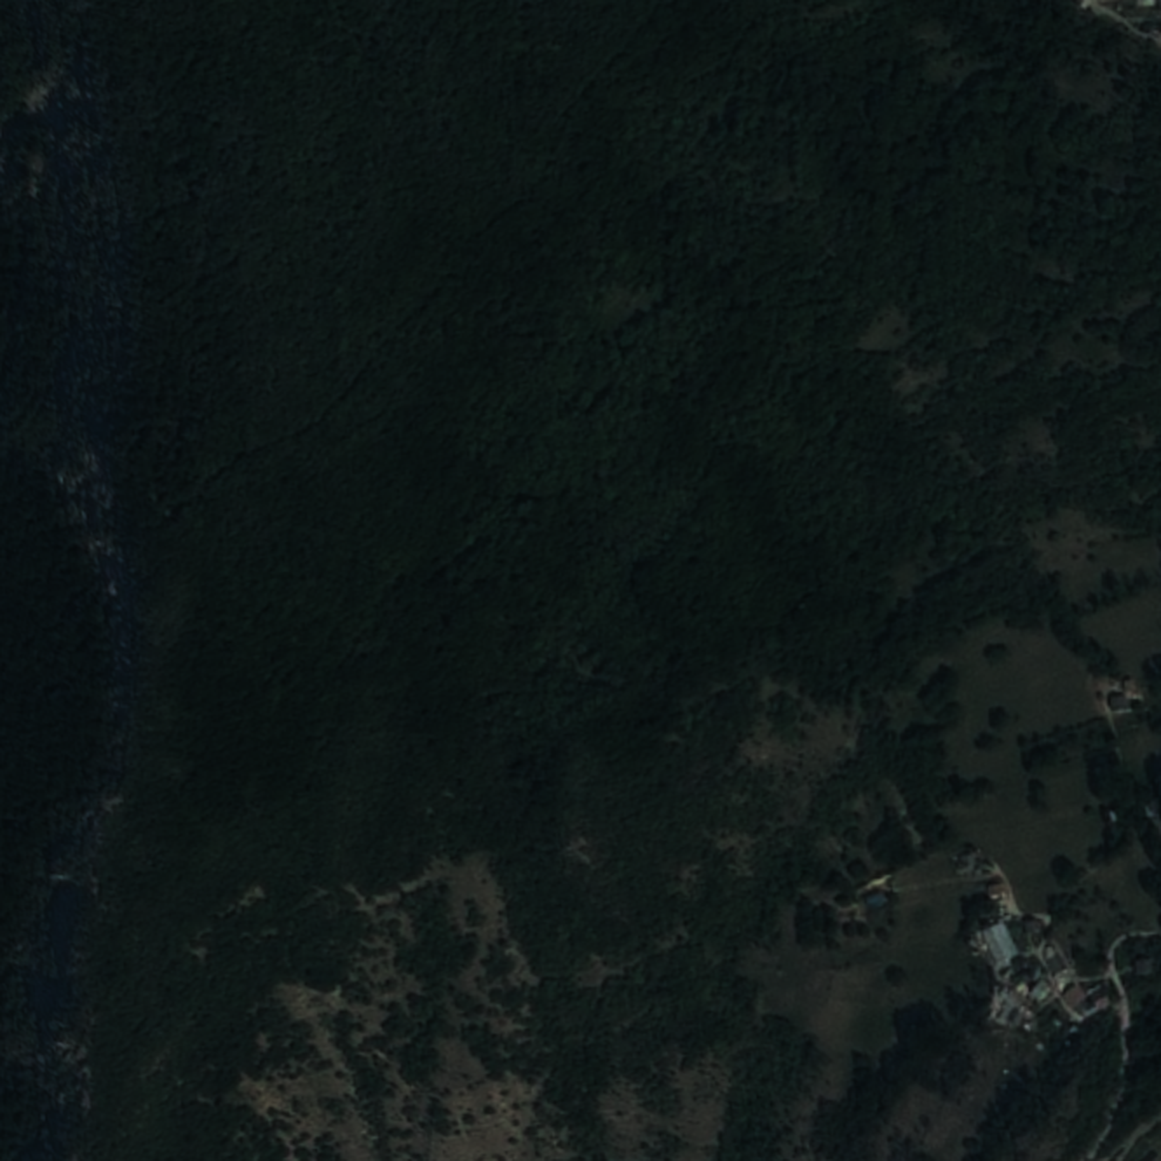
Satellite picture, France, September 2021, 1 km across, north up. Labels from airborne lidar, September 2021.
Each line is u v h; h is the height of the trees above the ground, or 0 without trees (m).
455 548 19
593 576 22
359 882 11
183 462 20
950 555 20
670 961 11
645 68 21
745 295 25
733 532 25
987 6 17
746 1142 8
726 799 10
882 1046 0
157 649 14
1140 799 24
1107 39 9
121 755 8
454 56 23
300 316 17
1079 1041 9
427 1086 10
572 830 6
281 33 20
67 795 29
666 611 30
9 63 19
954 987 0
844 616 21
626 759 23
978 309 15
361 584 26
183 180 23
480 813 9
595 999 9
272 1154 13
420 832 16
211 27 18
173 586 16
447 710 26
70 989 19
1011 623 17
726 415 17
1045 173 15
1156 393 11
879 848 17
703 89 15
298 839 17
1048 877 0
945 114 19
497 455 23
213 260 23
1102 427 15
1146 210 16
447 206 23
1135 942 6
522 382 20
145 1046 12
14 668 31
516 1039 7
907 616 15
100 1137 12
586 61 17
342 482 18
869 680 19
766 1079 8
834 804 10
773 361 15
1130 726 0
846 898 12
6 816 28
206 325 25
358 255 15
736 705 16
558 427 26
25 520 34
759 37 26
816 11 12
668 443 28
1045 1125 7
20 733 29
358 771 14
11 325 16
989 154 23
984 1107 0
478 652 24
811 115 23
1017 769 0
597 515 19
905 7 18
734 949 10
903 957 0
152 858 17
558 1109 7
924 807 17
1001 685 0
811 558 31
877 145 19
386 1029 11
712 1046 14
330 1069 9
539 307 18
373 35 16
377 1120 11
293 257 16
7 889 29
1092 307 17
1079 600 0
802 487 14
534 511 20
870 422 18
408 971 7
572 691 19
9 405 20
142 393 23
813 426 17
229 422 21
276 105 17
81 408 12
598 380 22
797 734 9
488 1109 6
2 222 24
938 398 12
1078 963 9
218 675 26
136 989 15
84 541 10
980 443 14
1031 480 20
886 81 14
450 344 22
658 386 27
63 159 11
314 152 12
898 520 16
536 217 21
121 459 18
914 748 17
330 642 25
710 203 19
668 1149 7
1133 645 0
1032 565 11
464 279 23
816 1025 0
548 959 14
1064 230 16
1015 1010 0
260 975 13
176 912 14
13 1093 19
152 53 20
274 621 24
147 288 21
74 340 14
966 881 0
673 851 14
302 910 13
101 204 17
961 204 20
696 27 19
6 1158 18
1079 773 0
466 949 10
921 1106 0
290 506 19
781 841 8
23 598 31
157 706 12
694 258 27
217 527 24
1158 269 18
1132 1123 16
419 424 26
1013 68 19
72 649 29
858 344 8
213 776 31
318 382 19
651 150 15
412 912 9
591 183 21
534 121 19
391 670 24
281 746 25
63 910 11
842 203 8
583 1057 8
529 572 27
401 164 23
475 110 18
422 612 23
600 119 22
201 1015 18
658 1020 10
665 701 16
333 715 17
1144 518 15
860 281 15
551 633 15
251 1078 9
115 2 19
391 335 16
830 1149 8
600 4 16
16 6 18
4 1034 7
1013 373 7
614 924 15
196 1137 13
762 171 7
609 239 20
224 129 18
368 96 17
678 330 19
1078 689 0
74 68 9
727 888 12
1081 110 10
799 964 0
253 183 18
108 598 10
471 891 0
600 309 16
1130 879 0
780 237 18
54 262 12
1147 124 15
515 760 12
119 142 14
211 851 17
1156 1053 20
